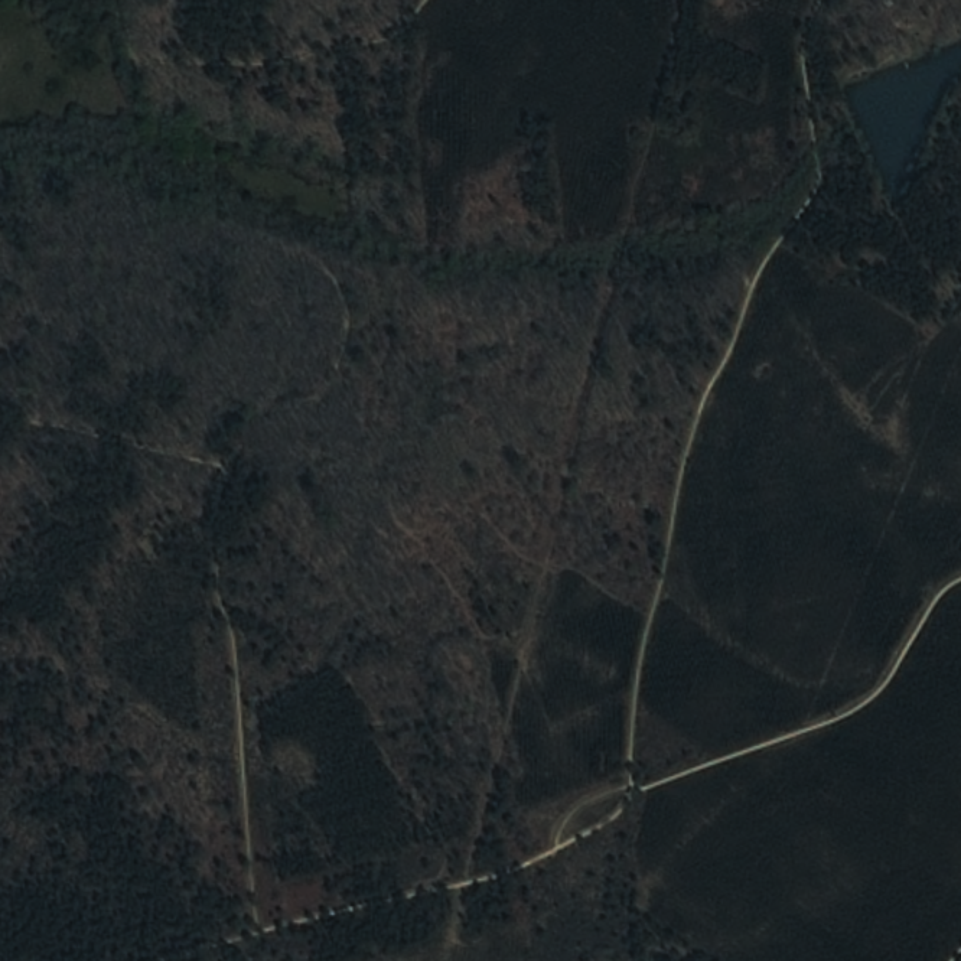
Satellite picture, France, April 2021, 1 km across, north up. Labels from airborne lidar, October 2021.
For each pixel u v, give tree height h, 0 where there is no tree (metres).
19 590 16
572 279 11
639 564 14
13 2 23
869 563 6
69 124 12
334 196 6
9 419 25
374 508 16
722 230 13
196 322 19
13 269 13
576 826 0
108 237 22
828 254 19
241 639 11
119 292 19
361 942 15
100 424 18
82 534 19
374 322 14
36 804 13
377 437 16
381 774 17
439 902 17
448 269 17
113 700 12
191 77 16
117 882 10
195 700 8
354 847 15
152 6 22
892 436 0
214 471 15
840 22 12
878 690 0
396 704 14
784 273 6
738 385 6
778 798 6
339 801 16
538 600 0
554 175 25
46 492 14
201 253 21
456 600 6
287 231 15
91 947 12
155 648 7
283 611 8
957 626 6
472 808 15
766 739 0
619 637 7
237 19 25
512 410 16
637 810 10
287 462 18
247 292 18
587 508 10
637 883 15
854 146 17
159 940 15
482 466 13
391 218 25
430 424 17
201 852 13
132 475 18
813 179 17
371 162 27
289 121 22
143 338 19
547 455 13
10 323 10
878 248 19
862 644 6
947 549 6
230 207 18
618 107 6
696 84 18
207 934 16
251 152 12
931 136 16
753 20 8
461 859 14
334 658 12
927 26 12
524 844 11
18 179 17
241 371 15
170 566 8
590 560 11
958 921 6
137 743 11
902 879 7
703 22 17
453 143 6
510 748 17
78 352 18
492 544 13
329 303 15
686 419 13
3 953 14
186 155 21
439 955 0
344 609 14
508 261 22
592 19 6
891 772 7
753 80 17
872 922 6
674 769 12
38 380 17
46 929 14
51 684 25
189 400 15
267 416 11
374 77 7
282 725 17
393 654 16
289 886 14
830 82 19
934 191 12
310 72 11
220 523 20
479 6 6
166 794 9
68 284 19
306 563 11
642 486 11
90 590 16
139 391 20
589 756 6
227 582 7
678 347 17
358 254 21
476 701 13
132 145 22
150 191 15
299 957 9
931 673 7
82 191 24
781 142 6
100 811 16
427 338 16
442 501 14
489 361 16
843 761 8
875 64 18
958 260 20
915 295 20
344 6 19
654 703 7
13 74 0
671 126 19
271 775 11
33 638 13
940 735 7
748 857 5
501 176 8
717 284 15
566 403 17
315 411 18
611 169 8
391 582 17
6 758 19
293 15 15
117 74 13
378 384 8
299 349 16
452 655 14
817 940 8
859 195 21
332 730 17
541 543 11
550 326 16
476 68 8
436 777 6
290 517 16
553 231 28
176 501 8
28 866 8
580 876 0
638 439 11
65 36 21
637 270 20
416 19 21
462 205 9
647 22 5
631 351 19
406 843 14
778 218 13
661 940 17
